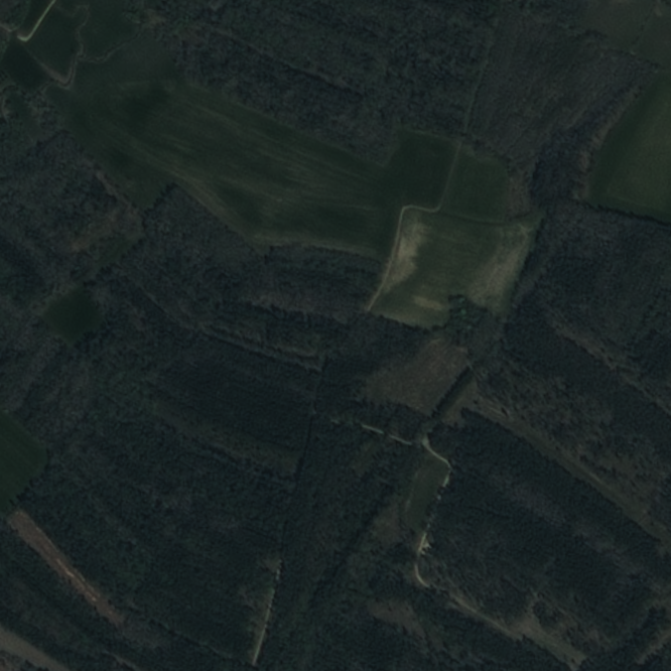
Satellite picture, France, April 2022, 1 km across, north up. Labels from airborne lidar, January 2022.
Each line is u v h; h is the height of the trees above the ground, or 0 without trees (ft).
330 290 55
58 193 67
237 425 62
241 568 55
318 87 77
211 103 0
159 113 0
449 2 93
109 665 76
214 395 63
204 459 54
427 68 67
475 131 20
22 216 73
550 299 64
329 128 77
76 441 60
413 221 0
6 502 0
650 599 83
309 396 62
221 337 76
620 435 73
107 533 67
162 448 71
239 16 79
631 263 66
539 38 19
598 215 60
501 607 71
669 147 0
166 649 63
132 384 71
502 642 79
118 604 71
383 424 59
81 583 76
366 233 0
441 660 77
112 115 0
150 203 0
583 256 66
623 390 90
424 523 0
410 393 0
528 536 83
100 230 0
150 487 69
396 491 48
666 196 0
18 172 66
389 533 0
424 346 80
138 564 79
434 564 73
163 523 73
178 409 54
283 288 69
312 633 79
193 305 58
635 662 83
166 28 45
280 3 59
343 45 73
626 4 0
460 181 0
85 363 78
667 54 0
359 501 82
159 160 0
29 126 0
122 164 0
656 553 84
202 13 25
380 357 63
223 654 63
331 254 47
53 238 63
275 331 67
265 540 77
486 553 69
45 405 68
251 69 54
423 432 62
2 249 54
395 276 0
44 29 0
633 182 0
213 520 58
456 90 80
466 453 66
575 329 74
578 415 73
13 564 43
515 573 71
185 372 64
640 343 68
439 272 0
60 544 74
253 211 0
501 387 72
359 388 59
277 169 0
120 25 0
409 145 0
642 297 33
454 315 22
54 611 48
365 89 77
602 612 74
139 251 50
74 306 0
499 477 70
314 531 66
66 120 0
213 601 48
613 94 23
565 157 79
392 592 94
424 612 82
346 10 47
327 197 0
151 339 61
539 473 83
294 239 0
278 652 48
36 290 82
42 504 77
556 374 83
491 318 56
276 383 71
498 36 29
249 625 63
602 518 79
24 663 36
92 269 71
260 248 0
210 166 0
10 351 51
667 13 0
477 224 0
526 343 78
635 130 0
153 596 64
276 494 91
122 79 0
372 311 0
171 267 63
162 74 0
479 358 51
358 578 55
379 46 75
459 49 81
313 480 73
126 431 76
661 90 0
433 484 0
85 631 47
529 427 79
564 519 70
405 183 0
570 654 0
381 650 73
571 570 77
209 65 67
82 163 75
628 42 0
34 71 0
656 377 76
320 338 67
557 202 81
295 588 79
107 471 75
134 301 45
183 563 73
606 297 68
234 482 83
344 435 71
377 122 72
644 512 0
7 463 0
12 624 59
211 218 56
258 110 69
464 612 72
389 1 58
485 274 0
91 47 0
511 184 0
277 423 62
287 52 74
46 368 62
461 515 75
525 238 0
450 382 0
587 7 36
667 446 76
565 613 69
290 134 0
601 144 79
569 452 76
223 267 75
